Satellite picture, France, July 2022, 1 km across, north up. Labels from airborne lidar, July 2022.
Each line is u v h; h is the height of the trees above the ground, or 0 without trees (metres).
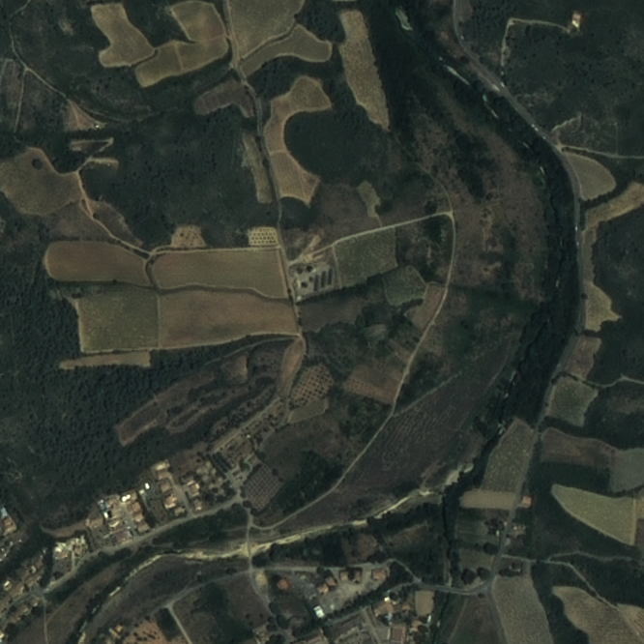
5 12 10
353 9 8
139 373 13
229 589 0
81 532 7
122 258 0
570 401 0
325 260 0
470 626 0
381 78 8
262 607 0
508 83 14
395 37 9
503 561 0
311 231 0
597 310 0
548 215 12
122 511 0
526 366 16
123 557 15
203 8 0
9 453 0
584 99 0
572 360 0
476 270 0
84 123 0
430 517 18
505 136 9
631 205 0
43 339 15
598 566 6
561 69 0
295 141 0
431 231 6
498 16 12
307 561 7
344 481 6
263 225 0
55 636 0
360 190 0
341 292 11
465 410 0
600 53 6
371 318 7
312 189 0
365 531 8
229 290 0
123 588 0
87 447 9
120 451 7
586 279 0
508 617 0
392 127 7
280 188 0
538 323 16
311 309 0
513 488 0
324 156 0
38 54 0
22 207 0
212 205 0
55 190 0
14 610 7
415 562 8
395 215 0
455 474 0
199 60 0
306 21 12
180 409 6
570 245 13
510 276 7
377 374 0
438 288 0
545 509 7
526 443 0
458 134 11
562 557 6
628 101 0
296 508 7
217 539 10
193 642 0
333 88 10
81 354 7
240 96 0
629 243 0
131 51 0
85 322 0
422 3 11
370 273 0
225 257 0
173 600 0
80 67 0
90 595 0
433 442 0
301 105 0
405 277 0
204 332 0
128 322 0
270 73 11
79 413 10
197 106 0
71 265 0
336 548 12
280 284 0
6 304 15
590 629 0
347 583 0
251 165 0
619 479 0
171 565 0
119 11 0
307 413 0
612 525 0
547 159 21
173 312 0
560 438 0
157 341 0
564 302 12
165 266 0
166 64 0
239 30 0
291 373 0
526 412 9
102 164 0
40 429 9
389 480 0
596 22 0
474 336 8
